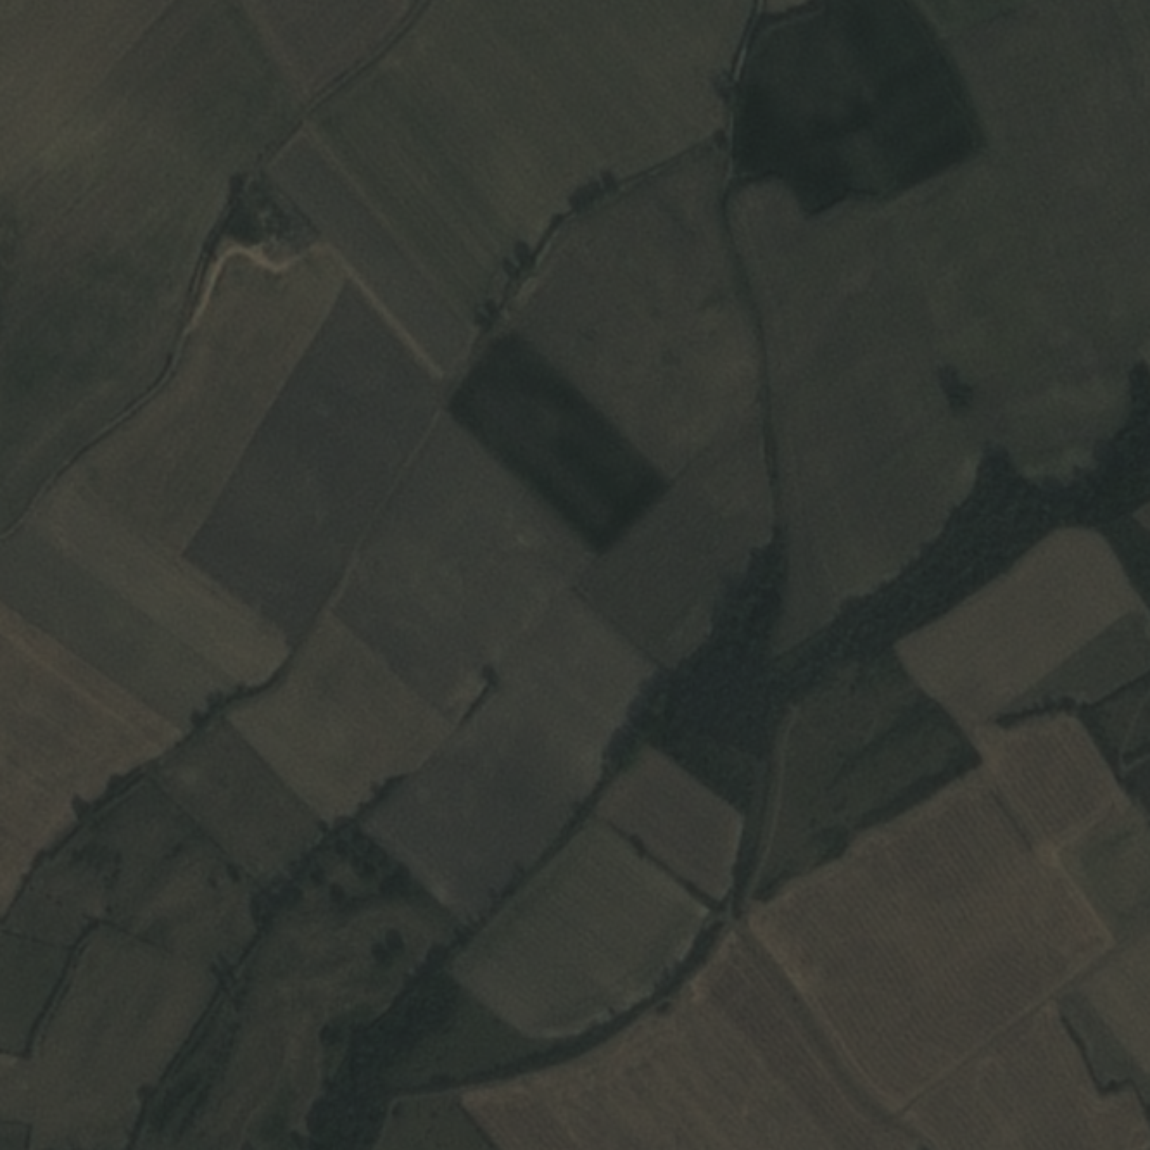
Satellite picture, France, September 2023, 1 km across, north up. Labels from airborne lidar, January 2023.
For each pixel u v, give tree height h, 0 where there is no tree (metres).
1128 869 0
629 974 0
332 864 0
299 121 0
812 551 0
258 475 0
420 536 0
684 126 0
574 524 0
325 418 0
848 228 0
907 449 0
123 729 0
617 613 0
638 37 0
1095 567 0
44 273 0
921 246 0
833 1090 0
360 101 0
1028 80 0
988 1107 0
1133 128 0
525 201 0
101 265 0
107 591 0
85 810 12
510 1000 0
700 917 0
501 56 0
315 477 0
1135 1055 0
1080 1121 0
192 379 0
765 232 0
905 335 0
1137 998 0
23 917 0
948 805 0
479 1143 0
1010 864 0
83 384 0
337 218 0
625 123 0
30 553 0
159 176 0
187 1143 0
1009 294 0
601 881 0
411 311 0
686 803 0
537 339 0
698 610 0
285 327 0
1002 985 0
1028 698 0
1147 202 0
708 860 0
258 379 0
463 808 0
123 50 0
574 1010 0
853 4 0
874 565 0
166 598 0
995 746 0
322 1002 0
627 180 0
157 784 0
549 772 0
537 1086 0
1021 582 0
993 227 0
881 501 0
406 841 0
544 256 0
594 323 0
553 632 0
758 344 0
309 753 0
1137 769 0
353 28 0
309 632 0
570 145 0
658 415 0
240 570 0
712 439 0
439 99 0
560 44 0
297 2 0
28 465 0
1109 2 0
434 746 0
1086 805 0
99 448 0
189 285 0
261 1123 0
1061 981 0
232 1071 0
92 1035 0
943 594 10
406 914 0
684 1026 0
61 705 0
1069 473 0
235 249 0
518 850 0
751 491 0
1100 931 0
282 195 0
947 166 0
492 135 0
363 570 0
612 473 0
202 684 0
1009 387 0
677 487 0
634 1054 0
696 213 0
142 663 0
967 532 6
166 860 0
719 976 0
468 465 0
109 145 0
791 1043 0
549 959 0
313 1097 0
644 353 0
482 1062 0
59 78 0
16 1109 0
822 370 0
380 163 0
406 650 0
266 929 8
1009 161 0
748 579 8
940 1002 0
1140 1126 0
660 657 0
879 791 0
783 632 0
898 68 0
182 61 0
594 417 0
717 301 0
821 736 0
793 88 0
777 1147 0
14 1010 0
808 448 0
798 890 0
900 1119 0
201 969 0
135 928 0
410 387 0
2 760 0
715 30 0
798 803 0
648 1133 0
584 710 0
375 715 0
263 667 0
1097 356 0
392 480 0
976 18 0
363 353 0
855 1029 0
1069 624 0
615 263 0
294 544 0
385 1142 0
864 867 0
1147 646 0
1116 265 0
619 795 0
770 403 0
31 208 0
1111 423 0
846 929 0
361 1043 14
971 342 0
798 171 0
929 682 0
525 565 0
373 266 0
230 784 0
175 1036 0
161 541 0
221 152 0
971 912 0
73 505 0
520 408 0
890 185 0
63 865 0
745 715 7
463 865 0
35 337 0
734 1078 0
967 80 0
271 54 0
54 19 0
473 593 0
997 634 0
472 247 0
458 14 0
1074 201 0
